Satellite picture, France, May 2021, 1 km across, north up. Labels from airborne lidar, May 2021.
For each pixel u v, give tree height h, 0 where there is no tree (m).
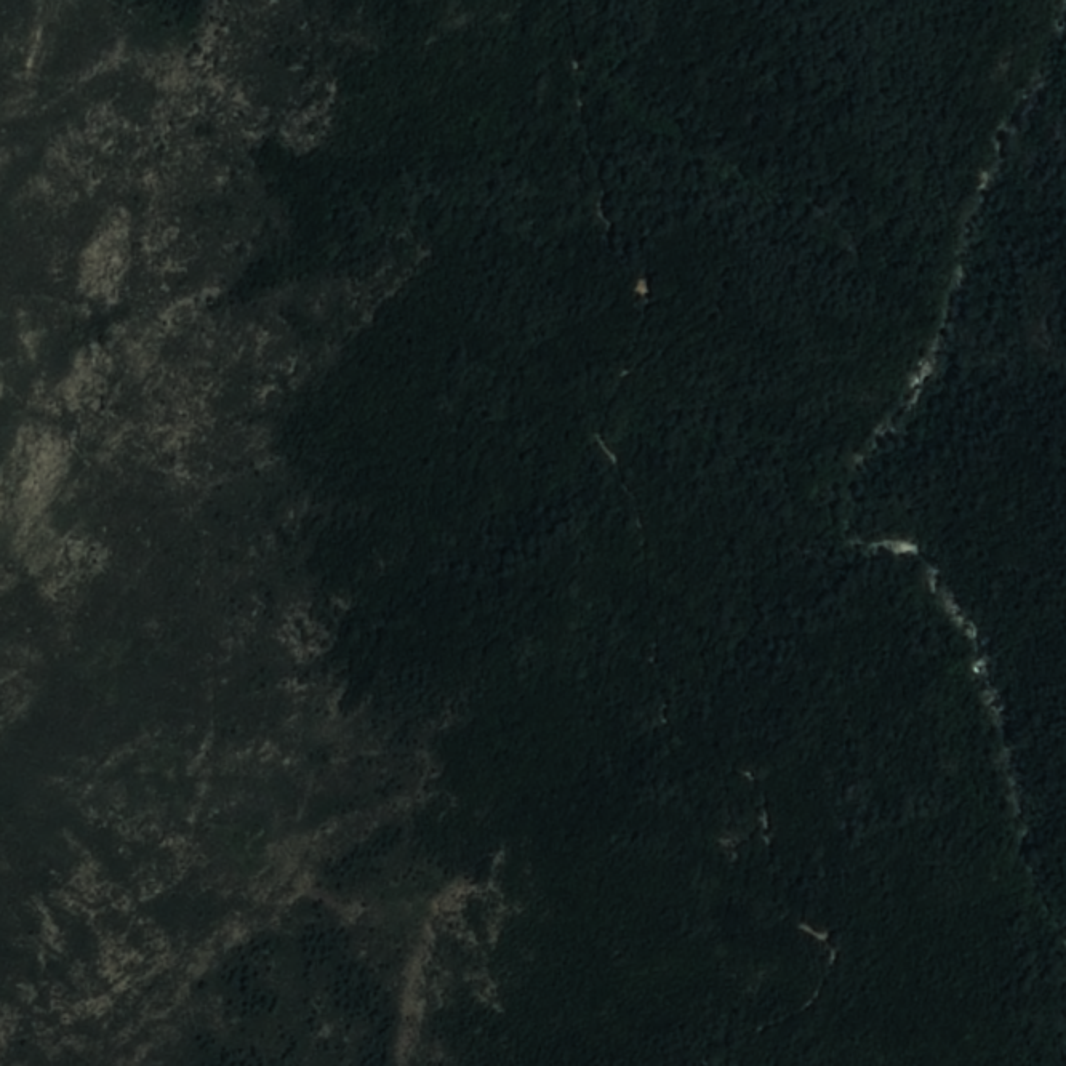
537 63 19
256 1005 12
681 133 20
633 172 27
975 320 13
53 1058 0
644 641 19
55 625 0
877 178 15
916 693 13
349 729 0
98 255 0
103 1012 0
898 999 13
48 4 0
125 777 0
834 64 31
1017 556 9
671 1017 10
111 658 0
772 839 10
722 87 17
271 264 12
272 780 0
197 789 0
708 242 20
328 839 0
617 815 10
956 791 14
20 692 0
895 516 10
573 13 26
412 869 7
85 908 0
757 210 30
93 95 0
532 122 20
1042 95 6
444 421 18
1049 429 19
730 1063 21
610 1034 12
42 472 0
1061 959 30
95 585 0
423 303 9
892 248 17
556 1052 11
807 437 15
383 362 13
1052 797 14
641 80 14
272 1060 8
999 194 10
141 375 0
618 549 11
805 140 30
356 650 18
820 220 33
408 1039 0
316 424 9
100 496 0
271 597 8
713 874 16
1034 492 17
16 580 0
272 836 0
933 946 12
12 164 0
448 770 6
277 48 8
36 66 0
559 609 13
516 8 6
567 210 21
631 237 20
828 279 27
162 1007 0
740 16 14
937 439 13
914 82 17
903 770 9
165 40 0
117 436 0
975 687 15
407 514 7
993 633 10
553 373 17
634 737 14
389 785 7
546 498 16
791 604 16
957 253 12
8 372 0
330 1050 8
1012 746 19
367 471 8
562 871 8
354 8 6
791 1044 16
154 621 0
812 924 11
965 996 9
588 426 20
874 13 29
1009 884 11
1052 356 6
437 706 10
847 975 9
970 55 19
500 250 14
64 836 0
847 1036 16
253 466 6
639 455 16
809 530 19
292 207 10
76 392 0
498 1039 9
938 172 15
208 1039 6
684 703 13
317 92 6
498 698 11
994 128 20
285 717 0
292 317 9
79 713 0
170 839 0
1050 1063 16
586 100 13
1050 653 11
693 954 8
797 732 18
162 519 0
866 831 22
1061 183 8
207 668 0
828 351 16
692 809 16
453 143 13
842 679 14
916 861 14
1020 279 19
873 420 13
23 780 0
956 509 8
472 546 15
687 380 23
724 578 19
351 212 28
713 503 16
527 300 11
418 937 0
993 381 14
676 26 17
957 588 18
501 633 13
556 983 9
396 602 19
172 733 0
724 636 21
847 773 17
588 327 14
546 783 12
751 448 14
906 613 11
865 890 10
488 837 8
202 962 0
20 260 0
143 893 0
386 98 7
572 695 12
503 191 25
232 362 0
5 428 0
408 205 22
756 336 11
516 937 6
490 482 19
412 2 6
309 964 11
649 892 6
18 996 0
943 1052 18
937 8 21
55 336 0
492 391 22
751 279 29
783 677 13
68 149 0
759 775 17
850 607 16
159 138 7
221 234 7
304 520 8
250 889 0
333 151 7
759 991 6
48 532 0
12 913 0
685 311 14
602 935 8
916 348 7
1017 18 12
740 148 15
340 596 7
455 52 10
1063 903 16
